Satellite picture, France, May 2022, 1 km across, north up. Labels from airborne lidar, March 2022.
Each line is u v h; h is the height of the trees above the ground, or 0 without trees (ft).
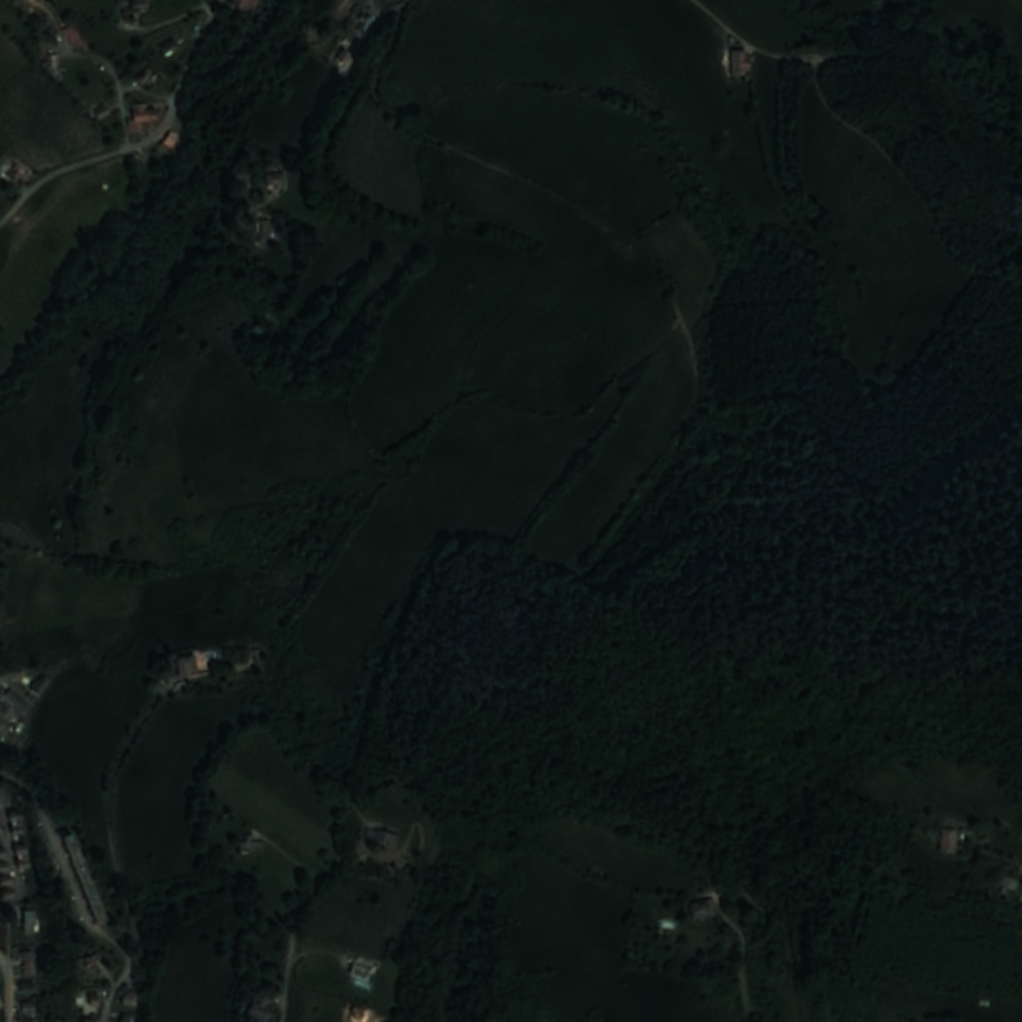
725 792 65
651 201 0
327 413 0
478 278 0
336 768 17
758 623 100
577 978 0
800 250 45
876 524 118
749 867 54
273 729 36
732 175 0
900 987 0
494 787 68
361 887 0
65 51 0
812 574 101
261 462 0
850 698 77
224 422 0
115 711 0
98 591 0
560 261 0
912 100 30
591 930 0
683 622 53
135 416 0
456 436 0
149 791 0
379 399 0
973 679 80
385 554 0
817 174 0
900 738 64
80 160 0
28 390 48
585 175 0
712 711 65
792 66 40
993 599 102
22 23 0
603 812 21
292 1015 0
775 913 58
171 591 0
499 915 23
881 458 107
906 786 0
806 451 99
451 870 41
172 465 0
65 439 0
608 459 0
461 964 31
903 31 96
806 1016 0
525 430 0
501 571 72
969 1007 0
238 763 0
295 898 34
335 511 56
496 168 0
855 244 0
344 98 44
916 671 90
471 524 0
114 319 71
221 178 0
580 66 0
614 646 57
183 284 65
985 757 60
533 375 0
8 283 0
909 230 0
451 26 0
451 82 0
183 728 0
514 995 17
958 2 0
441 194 21
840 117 24
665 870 0
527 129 0
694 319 0
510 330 0
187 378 0
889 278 0
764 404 51
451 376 0
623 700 37
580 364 0
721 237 56
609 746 63
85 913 0
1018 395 37
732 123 0
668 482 24
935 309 0
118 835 0
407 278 52
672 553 70
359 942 0
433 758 40
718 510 45
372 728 54
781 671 89
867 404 74
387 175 0
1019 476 113
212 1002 0
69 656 0
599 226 0
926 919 21
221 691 30
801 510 109
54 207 0
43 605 0
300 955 0
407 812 0
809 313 33
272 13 28
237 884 30
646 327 0
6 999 0
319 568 18
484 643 97
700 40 0
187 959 0
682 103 0
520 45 0
